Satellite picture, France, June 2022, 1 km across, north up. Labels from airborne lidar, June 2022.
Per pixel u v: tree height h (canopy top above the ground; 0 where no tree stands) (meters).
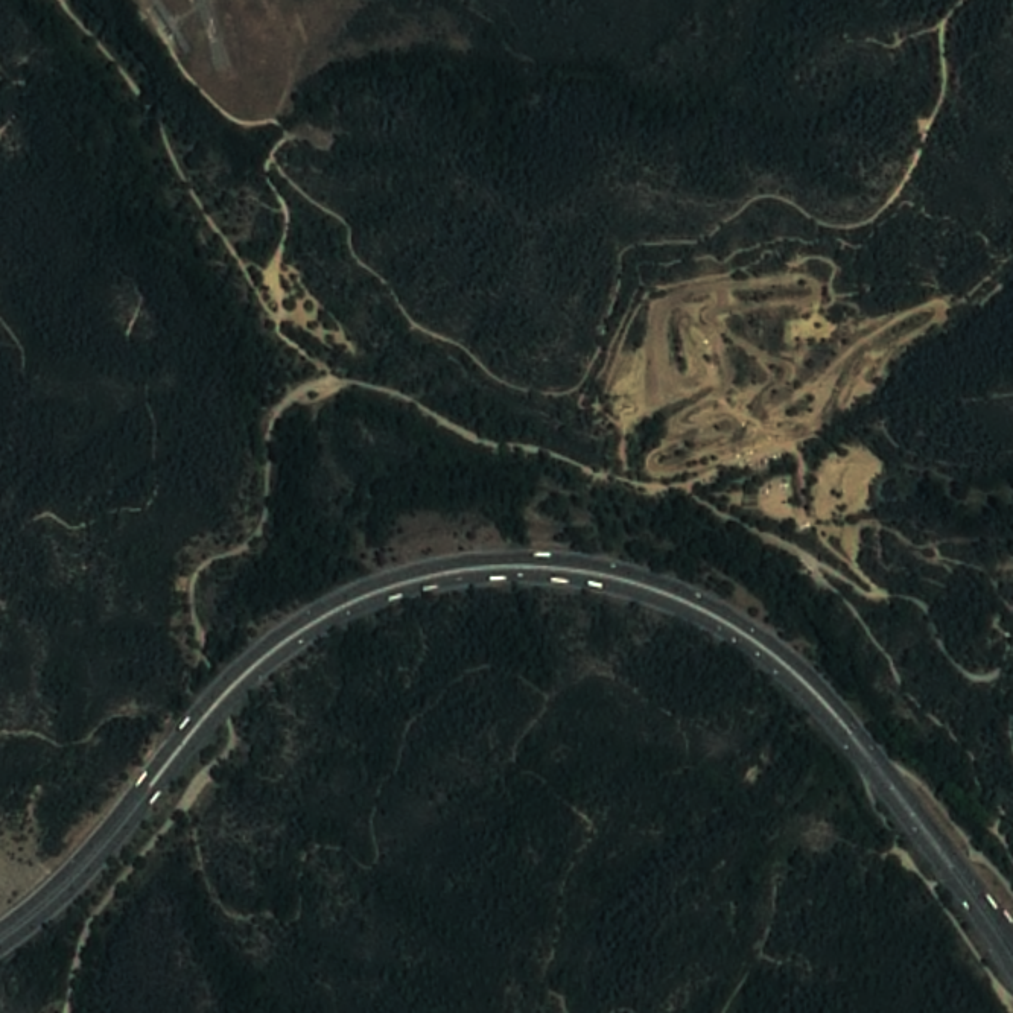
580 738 10
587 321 8
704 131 10
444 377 7
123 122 10
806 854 9
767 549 11
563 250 8
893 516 13
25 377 16
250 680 0
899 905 10
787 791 10
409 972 10
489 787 8
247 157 6
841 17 11
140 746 11
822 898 9
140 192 12
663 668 11
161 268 18
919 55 12
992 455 14
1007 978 0
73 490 13
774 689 14
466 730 9
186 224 9
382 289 8
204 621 0
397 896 11
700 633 13
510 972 7
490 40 12
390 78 18
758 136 15
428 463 18
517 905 8
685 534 13
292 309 8
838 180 14
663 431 10
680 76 8
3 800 8
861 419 16
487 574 0
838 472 0
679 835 6
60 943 13
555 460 9
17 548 12
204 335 15
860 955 9
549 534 0
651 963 14
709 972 10
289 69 0
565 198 15
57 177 17
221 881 11
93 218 17
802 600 18
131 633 9
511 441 12
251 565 8
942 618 12
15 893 7
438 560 0
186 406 13
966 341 17
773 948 6
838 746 0
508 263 12
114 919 10
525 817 7
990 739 7
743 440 0
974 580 17
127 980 17
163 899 11
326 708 7
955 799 22
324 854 7
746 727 8
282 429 17
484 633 6
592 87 8
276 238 10
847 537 0
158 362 15
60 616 13
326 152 13
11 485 12
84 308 15
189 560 9
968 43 7
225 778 18
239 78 0
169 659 13
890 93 10
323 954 11
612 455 8
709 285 0
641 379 0
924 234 6
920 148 7
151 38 11
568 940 10
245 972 8
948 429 12
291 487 10
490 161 7
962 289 17
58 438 11
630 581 0
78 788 8
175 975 14
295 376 12
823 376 0
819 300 0
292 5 0
